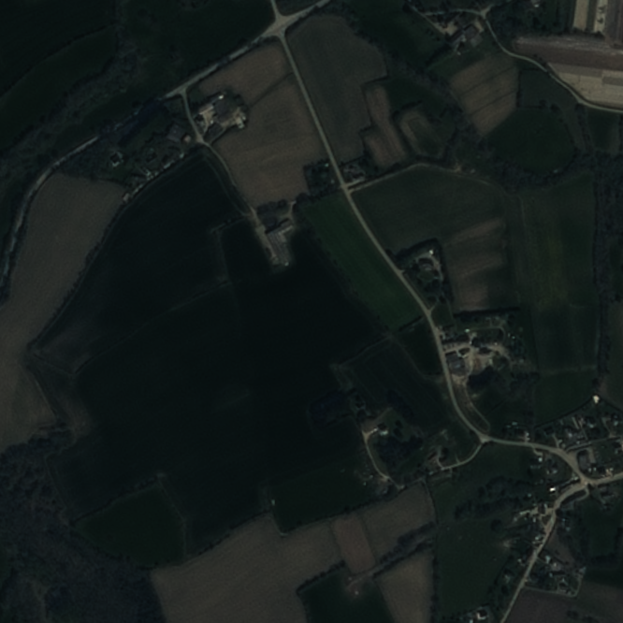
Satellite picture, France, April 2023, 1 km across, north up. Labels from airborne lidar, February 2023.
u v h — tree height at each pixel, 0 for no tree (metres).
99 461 0
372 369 0
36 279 0
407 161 0
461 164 0
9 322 0
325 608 0
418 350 0
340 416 9
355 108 0
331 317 0
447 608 0
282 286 0
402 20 0
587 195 0
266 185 0
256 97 0
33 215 0
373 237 0
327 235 0
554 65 0
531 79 0
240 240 0
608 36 0
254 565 0
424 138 0
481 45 0
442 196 0
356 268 0
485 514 13
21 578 29
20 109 0
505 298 0
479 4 14
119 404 0
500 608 8
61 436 10
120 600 16
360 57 0
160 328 0
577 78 0
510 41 0
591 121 0
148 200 0
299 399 0
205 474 0
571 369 0
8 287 12
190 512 0
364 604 0
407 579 0
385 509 0
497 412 0
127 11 0
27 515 15
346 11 8
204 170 0
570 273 0
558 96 0
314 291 0
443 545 0
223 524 0
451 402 0
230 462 0
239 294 0
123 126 14
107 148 12
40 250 0
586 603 0
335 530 0
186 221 0
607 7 0
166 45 0
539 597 0
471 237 0
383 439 12
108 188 0
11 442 0
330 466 0
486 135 0
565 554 0
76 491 0
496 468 0
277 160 0
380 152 0
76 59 0
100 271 0
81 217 0
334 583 0
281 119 0
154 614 16
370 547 0
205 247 0
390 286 0
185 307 0
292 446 0
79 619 22
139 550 0
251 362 0
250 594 0
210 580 0
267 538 0
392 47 0
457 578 0
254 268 0
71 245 0
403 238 0
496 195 0
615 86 0
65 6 0
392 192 0
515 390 15
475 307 0
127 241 0
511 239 0
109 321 0
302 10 0
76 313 0
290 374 0
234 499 0
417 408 0
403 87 0
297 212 8
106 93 13
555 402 0
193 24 0
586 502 0
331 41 0
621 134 10
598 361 9
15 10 0
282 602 0
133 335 0
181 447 0
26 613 17
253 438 0
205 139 9
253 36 0
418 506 0
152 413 0
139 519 0
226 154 0
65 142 0
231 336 0
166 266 0
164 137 8
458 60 0
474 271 0
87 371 0
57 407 0
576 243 0
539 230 0
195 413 0
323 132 0
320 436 0
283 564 0
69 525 8
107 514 0
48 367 0
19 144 14
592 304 0
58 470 0
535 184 6
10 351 0
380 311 0
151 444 0
